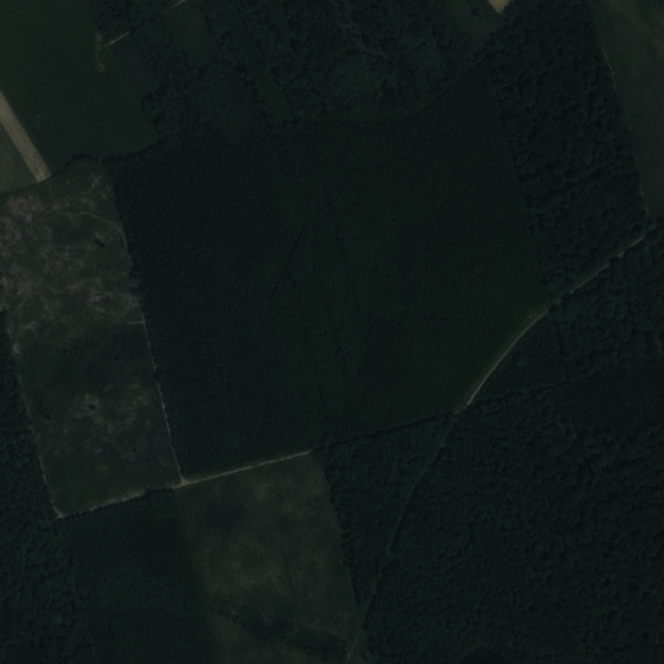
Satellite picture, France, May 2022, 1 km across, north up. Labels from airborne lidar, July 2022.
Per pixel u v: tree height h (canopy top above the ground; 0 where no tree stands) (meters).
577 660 22
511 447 22
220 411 16
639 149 0
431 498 23
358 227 11
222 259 16
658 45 0
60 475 0
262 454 15
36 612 17
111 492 0
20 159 0
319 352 9
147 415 0
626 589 26
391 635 24
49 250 0
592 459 9
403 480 25
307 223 9
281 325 11
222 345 18
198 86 23
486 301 6
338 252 11
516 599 24
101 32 8
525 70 28
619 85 0
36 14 0
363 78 27
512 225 8
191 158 19
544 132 28
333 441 9
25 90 0
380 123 7
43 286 0
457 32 6
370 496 25
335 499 18
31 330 0
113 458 0
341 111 18
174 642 12
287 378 14
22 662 27
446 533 24
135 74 0
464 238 6
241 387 15
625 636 24
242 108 17
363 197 12
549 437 23
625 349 28
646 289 26
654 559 27
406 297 8
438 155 7
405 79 25
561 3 24
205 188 17
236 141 17
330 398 10
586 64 30
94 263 0
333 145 12
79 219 0
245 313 16
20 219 0
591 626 27
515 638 26
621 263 20
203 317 16
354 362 10
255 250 11
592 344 26
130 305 0
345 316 10
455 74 17
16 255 0
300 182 12
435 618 25
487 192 6
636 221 21
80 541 12
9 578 23
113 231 0
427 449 22
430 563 19
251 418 16
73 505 0
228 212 17
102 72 0
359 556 26
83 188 0
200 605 12
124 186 19
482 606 24
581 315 24
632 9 0
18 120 0
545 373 9
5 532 21
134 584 17
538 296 6
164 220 20
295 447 13
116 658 11
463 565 23
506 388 7
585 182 30
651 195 0
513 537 24
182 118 25
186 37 0
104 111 0
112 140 0
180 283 17
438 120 5
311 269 8
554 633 27
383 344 12
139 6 22
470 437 26
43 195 0
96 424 0
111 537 12
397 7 25
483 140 6
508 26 14
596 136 27
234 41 26
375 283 10
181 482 0
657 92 0
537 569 25
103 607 15
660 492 23
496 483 25
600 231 27
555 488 27
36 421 0
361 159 11
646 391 11
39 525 23
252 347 15
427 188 7
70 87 0
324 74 24
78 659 24
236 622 7
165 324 14
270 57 23
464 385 8
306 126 11
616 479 24
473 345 7
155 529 12
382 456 26
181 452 15
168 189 19
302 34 27
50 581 26
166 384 15
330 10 29
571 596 27
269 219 12
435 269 7
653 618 26
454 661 17
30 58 0
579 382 11
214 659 10
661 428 8
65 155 0
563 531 31
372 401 11
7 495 25
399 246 6
